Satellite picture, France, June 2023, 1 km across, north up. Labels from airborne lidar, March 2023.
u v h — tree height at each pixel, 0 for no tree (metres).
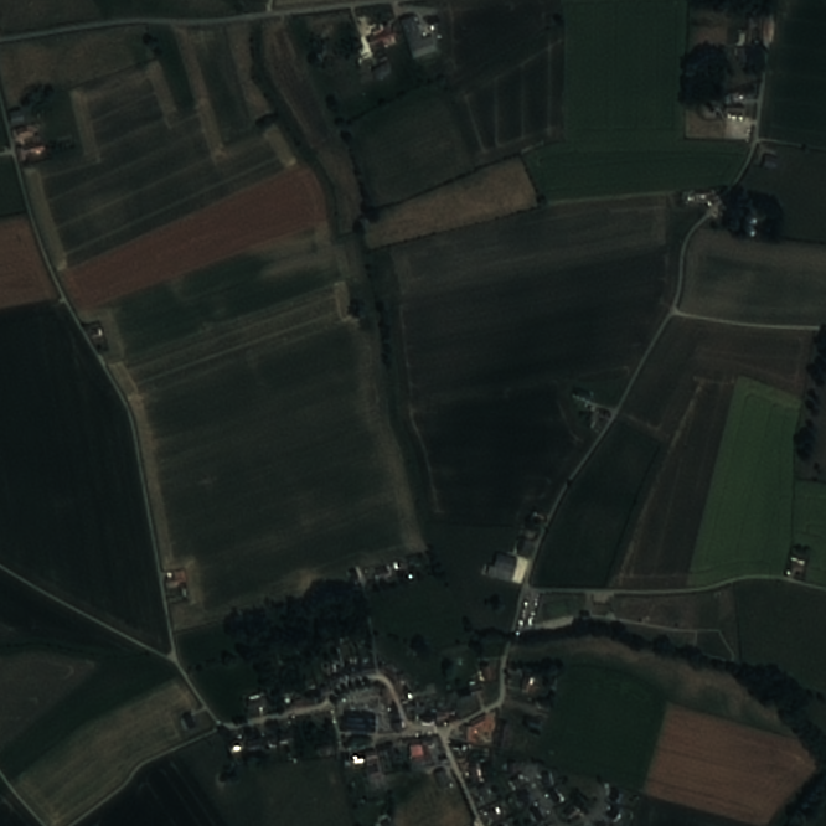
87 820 0
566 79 0
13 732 0
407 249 0
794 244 0
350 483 0
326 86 0
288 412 0
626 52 0
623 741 0
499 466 0
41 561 0
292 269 0
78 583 0
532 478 0
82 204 0
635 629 0
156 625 0
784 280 0
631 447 0
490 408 0
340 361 0
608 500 0
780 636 0
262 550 0
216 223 0
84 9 0
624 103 0
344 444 0
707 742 0
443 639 0
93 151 0
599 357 0
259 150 0
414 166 0
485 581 0
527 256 0
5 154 0
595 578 0
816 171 0
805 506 0
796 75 0
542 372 0
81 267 0
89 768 0
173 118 0
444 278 0
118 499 0
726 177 0
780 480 0
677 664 0
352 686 9
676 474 0
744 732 0
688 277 0
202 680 0
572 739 0
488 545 0
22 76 0
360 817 0
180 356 0
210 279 0
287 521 0
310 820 0
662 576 0
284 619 11
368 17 0
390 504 0
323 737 9
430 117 0
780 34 0
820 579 0
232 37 0
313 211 0
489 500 0
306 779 0
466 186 0
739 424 0
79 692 0
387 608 0
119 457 0
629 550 0
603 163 0
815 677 0
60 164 0
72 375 0
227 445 0
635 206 0
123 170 0
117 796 0
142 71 0
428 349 0
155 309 0
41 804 0
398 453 0
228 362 0
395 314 0
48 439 0
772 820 0
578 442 0
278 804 0
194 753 0
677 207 0
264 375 0
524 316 0
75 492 0
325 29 0
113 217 0
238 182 0
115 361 0
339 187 0
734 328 0
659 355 0
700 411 0
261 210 0
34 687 0
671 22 0
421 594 0
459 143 0
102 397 0
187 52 0
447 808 0
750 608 0
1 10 0
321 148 0
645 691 0
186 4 0
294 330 0
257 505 0
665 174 0
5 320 0
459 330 0
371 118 0
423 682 0
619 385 0
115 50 0
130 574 0
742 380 0
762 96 0
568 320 0
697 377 0
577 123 0
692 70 16
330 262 0
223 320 0
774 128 0
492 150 0
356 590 16
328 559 0
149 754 0
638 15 0
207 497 0
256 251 0
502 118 0
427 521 0
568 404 0
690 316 0
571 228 0
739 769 0
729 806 0
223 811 0
